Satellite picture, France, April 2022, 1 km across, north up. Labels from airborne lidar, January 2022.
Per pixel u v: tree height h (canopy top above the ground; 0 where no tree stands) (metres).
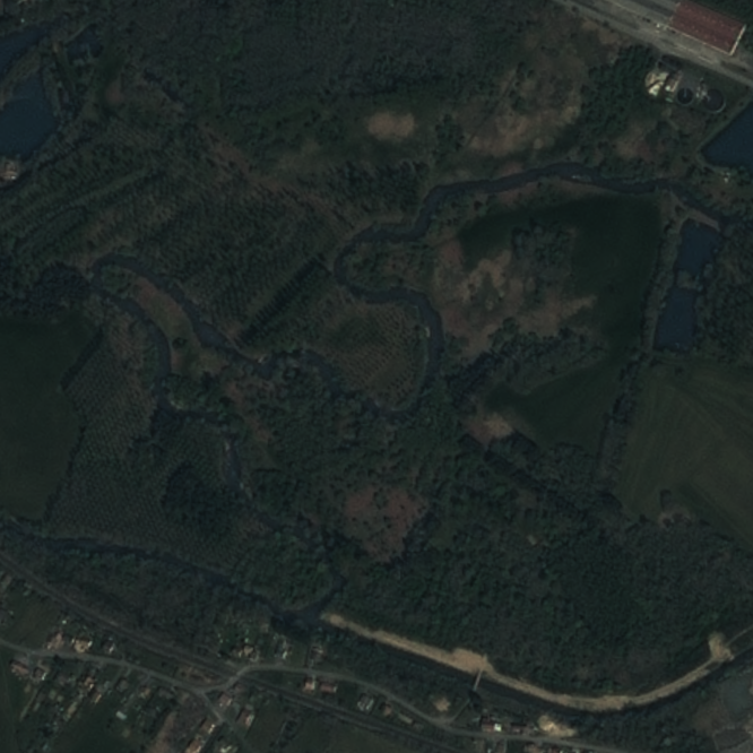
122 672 0
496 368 21
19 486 0
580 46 0
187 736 0
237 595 22
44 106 0
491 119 0
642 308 0
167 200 0
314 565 14
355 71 19
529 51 0
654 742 19
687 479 0
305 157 0
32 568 18
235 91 16
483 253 0
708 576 22
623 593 18
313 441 17
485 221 0
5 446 0
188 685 0
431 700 10
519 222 0
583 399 0
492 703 0
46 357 0
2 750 0
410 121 0
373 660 14
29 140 0
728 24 0
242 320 0
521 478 21
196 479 22
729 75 0
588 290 0
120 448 0
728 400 0
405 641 0
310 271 0
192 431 0
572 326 0
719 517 0
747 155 0
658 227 0
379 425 27
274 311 0
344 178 0
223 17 19
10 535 21
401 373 0
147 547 16
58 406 0
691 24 0
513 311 0
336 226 0
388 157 0
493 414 0
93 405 0
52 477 0
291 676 0
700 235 0
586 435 0
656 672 0
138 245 0
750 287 0
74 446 0
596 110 10
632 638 11
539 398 0
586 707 0
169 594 17
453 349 8
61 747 0
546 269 27
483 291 0
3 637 0
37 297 25
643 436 0
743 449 0
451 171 0
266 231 0
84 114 22
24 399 0
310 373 33
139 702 0
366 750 0
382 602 17
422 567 24
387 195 0
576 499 21
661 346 0
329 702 16
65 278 25
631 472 0
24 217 0
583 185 0
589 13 0
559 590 21
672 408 0
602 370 0
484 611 20
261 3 7
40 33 0
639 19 0
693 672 0
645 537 16
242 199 0
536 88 0
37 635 0
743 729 0
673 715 24
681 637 21
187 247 0
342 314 0
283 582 20
